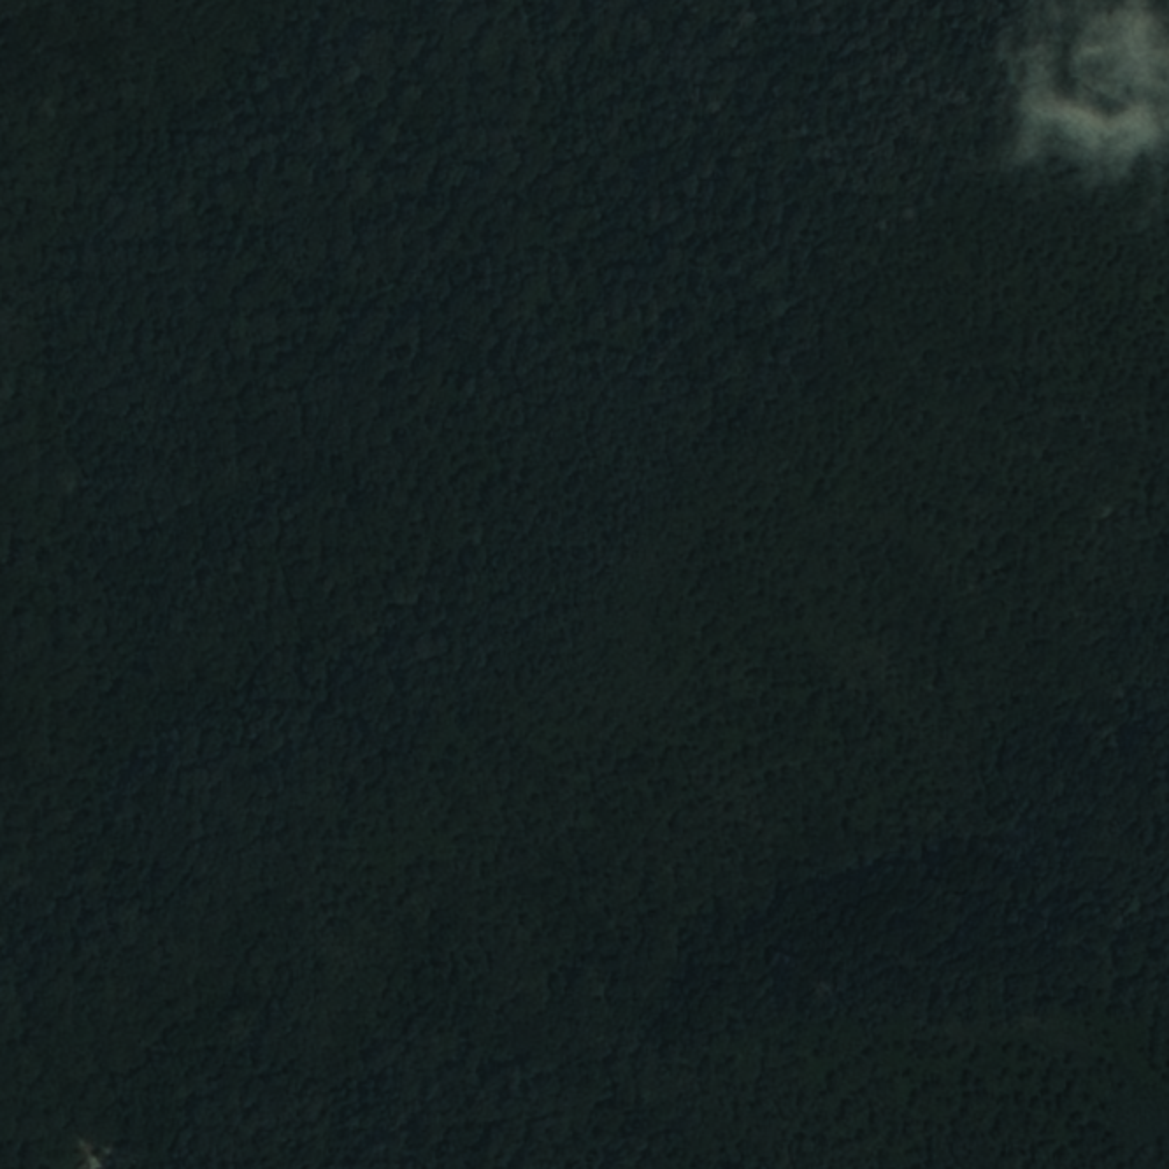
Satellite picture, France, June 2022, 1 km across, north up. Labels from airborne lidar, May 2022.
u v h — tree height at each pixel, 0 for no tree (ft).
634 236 67
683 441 55
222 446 54
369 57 100
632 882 26
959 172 44
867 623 30
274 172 38
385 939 62
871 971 70
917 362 67
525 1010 81
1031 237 42
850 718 38
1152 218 65
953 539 53
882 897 121
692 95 66
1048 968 77
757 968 108
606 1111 101
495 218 77
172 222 76
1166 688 74
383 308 67
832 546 38
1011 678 73
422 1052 37
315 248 81
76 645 105
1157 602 70
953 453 40
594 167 24
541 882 26
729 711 47
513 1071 77
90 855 78
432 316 92
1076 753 90
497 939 47
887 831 51
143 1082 59
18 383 70
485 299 68
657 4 73
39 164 22
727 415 27
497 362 70
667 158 50
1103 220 61
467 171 78
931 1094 44
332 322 78
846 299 36
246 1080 61
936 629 66
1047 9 66
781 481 31
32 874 82
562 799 56
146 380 74
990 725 40
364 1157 69
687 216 66
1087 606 66
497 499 61
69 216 75
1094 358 38
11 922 87
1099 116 67
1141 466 30
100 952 48
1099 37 37
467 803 22
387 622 83
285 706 81
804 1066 39
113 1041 88
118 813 96
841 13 40
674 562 27
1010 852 95
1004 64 32
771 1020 43
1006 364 76
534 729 37
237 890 81
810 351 43
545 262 62
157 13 55
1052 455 67
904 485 36
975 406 65
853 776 46
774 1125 85
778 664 55
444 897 73
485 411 43
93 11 54
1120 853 74
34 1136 69
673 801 60
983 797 107
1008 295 39
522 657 43
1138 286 43
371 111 62
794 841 66
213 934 64
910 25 52
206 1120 79
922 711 41
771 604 45
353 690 100
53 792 51
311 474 81
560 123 50
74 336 57
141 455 87
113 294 67
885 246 35
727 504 22
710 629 46
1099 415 64
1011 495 37
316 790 65
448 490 51
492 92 76
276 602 53
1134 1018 35
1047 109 78
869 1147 66
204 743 91
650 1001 77
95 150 94
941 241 47
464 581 68
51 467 67
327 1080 75
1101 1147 43
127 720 83
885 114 38
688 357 54
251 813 44
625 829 62
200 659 58
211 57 42
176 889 85
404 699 72
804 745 67
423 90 35
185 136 54
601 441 46
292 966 70
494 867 48
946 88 44
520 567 65
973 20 76
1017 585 38
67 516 81
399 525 45
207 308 56
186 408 66
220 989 40
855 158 46
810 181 64
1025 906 33
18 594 45
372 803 40
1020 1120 29
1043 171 58
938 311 55
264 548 53
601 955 70
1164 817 65
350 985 48
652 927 60
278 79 36
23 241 75
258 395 48
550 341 73
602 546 40
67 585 97
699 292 74
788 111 71
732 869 56
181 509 77
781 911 120
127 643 58
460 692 48
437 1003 42
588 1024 52
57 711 52
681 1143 80
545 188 73
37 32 39
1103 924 85
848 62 77
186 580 85
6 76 60
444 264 77
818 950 115
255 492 65
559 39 103
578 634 38
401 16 27
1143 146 94
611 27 65
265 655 74
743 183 35
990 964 101
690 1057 51
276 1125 78
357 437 72
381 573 54
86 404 51
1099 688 81
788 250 36
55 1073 56
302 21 72
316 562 46
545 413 55
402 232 73
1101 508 75
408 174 78
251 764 30
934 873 100
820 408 45
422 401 65
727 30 62
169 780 79
